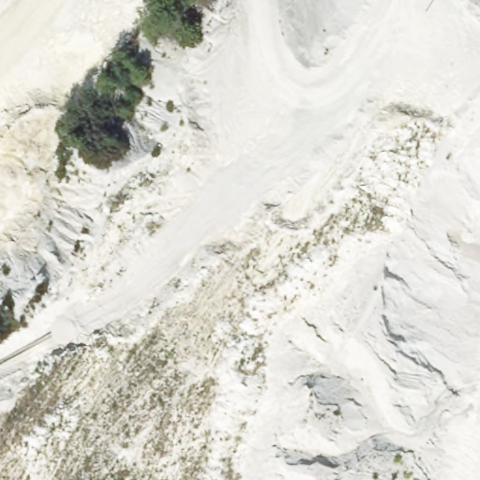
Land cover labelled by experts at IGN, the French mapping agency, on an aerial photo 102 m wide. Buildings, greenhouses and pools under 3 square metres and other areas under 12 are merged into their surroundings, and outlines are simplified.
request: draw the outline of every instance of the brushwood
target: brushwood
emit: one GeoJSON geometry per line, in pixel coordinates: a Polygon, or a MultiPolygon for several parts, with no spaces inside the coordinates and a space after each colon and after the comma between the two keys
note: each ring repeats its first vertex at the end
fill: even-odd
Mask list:
{"type": "Polygon", "coordinates": [[[6,292],[0,304],[0,343],[19,328],[15,326],[15,304],[11,291],[6,292]]]}

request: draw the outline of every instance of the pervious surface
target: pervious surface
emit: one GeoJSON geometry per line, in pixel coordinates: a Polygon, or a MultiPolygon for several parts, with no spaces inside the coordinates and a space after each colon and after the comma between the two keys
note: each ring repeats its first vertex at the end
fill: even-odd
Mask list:
{"type": "Polygon", "coordinates": [[[0,304],[6,292],[11,291],[15,304],[15,326],[19,328],[0,343],[0,480],[480,480],[480,0],[195,0],[193,7],[202,13],[202,41],[197,47],[180,47],[171,39],[159,39],[159,43],[154,45],[144,34],[139,36],[133,32],[135,21],[150,13],[144,7],[144,0],[0,0],[0,304]],[[142,88],[144,94],[141,103],[135,109],[135,118],[131,122],[124,122],[124,129],[129,133],[129,152],[122,161],[114,161],[109,169],[96,169],[94,165],[84,163],[79,156],[79,148],[73,146],[71,159],[66,167],[66,178],[60,180],[56,176],[56,122],[66,112],[67,97],[75,84],[82,82],[86,88],[96,84],[118,39],[129,39],[133,43],[139,43],[139,49],[150,52],[152,58],[152,81],[142,88]]]}

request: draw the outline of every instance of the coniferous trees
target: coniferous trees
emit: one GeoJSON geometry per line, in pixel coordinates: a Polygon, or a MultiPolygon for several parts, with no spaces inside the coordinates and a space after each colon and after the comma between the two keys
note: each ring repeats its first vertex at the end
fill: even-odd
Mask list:
{"type": "Polygon", "coordinates": [[[152,58],[150,52],[139,49],[139,43],[133,43],[129,39],[118,39],[96,84],[86,88],[82,82],[75,84],[67,97],[66,112],[56,122],[56,176],[60,180],[66,178],[66,167],[71,159],[73,146],[79,148],[79,156],[84,163],[94,165],[96,169],[109,169],[114,161],[122,161],[129,152],[129,133],[124,129],[124,122],[131,122],[135,118],[135,109],[141,103],[144,94],[142,88],[152,81],[152,58]]]}
{"type": "Polygon", "coordinates": [[[195,0],[144,0],[144,7],[150,13],[135,21],[133,32],[139,36],[144,34],[154,45],[159,43],[159,39],[171,39],[180,47],[197,47],[202,41],[202,13],[193,7],[195,0]]]}

